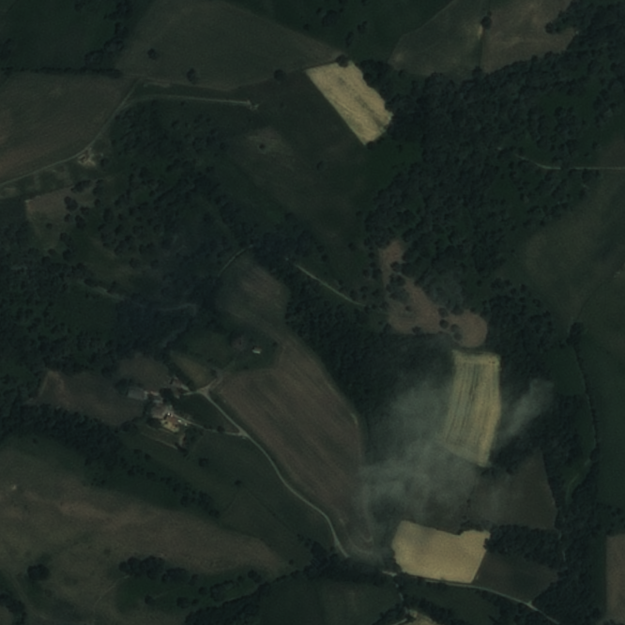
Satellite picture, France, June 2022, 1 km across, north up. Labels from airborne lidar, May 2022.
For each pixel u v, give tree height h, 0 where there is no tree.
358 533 0
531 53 0
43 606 0
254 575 18
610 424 0
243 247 14
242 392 0
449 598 0
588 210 0
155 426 19
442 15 0
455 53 0
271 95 0
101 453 20
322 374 0
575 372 0
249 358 0
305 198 0
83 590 0
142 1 0
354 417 0
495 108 16
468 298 17
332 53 0
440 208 15
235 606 12
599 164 0
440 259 16
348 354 18
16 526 0
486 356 0
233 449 0
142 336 13
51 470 0
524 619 10
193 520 0
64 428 19
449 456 0
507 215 13
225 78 0
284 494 0
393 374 15
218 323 10
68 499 0
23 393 18
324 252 8
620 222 0
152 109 8
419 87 12
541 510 0
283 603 0
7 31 0
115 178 0
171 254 0
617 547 0
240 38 0
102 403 0
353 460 0
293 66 0
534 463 0
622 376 0
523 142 10
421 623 0
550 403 16
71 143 0
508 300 18
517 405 13
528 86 14
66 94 0
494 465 8
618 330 0
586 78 18
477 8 0
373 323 0
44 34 0
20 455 0
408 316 0
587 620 19
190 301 11
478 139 17
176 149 7
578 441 18
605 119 15
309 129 0
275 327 0
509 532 14
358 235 0
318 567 34
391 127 17
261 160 0
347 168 0
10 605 19
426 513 0
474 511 0
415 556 0
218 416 0
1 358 21
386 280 0
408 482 8
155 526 0
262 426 0
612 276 0
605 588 0
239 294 0
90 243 0
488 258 12
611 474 0
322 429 0
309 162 0
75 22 0
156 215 14
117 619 0
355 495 0
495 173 8
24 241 12
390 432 10
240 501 0
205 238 0
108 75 6
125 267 0
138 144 14
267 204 0
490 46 0
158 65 0
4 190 0
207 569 0
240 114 0
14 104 0
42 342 17
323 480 0
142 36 0
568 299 0
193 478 0
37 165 0
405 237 16
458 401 0
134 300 13
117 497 0
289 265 7
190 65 0
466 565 0
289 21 0
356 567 20
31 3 0
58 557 0
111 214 8
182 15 0
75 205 12
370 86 7
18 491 0
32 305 16
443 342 15
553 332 11
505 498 0
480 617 0
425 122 22
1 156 0
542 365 13
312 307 23
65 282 18
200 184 18
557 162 15
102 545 0
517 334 8
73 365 24
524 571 0
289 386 0
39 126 0
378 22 0
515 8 0
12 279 18
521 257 0
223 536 0
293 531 0
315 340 20
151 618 0
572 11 9
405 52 0
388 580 18
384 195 13
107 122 0
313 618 0
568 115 17
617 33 22
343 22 0
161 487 0
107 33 0
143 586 0
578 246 0
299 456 0
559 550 13
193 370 0
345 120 0
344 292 10
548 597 14
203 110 0
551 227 0
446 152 20
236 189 0
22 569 0
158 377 0
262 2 0
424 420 14
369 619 0
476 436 0
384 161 0
